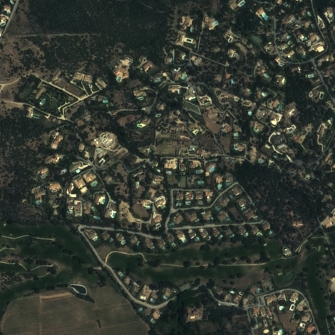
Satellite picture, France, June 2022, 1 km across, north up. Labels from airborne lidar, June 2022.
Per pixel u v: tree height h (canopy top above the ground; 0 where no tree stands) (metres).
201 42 7
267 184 9
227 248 0
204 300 10
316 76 8
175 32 7
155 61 12
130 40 10
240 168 9
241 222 8
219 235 9
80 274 0
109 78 7
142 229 8
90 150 0
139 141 8
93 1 8
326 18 7
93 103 13
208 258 0
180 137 0
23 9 8
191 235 0
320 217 7
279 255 0
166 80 6
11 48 0
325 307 0
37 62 7
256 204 10
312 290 0
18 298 0
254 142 8
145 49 8
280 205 12
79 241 0
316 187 7
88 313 0
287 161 8
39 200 0
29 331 0
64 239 0
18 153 7
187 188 6
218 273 0
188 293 23
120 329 0
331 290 8
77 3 8
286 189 18
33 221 6
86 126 8
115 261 0
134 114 6
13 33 0
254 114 6
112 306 0
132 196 10
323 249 0
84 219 6
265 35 7
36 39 6
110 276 9
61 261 0
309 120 8
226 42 7
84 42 9
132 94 7
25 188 7
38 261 9
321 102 10
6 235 0
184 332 12
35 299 0
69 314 0
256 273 0
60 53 7
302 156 8
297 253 10
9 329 0
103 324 0
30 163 8
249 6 10
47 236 0
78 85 6
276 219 11
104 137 0
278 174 19
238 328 6
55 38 10
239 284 0
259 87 8
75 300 0
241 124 10
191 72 9
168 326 0
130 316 0
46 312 0
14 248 0
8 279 6
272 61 8
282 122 6
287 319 0
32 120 7
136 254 0
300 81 10
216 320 20
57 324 0
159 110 6
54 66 9
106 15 7
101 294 0
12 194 9
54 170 8
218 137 6
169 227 6
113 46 7
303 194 14
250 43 8
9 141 5
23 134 8
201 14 9
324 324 0
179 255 0
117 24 8
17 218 9
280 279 0
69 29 6
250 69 7
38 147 9
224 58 9
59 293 0
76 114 13
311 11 7
